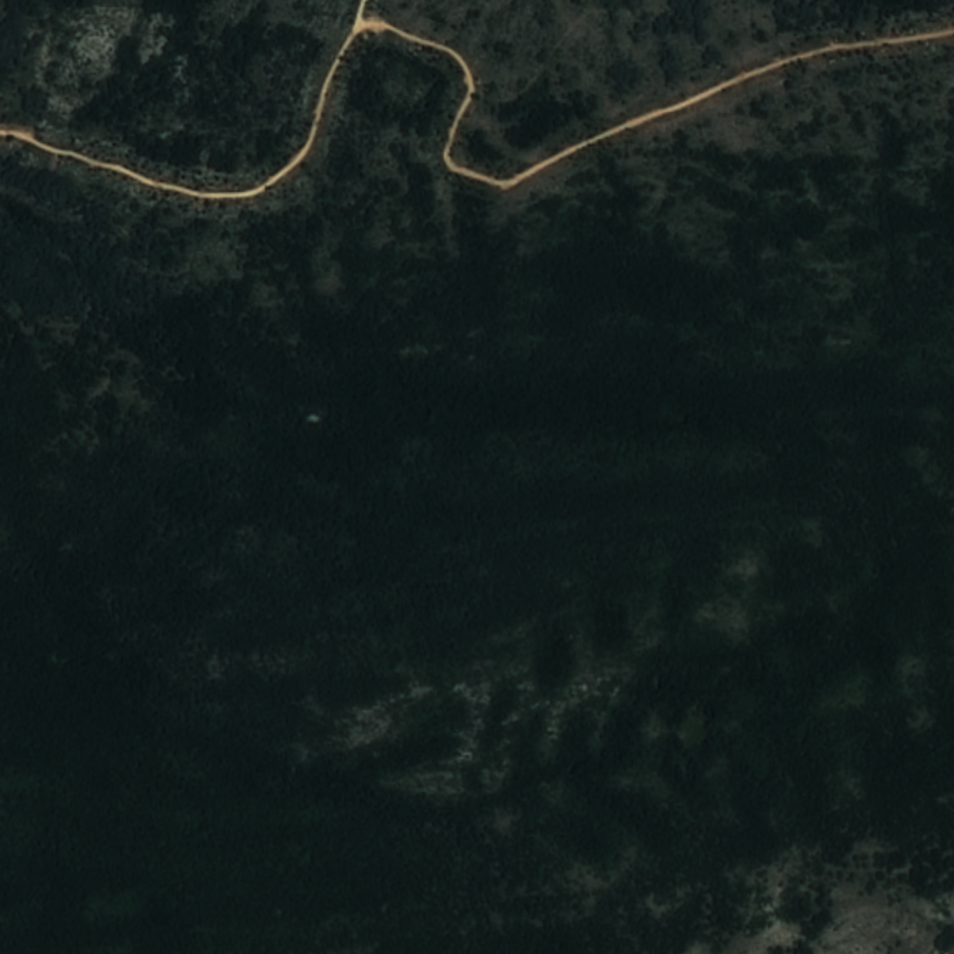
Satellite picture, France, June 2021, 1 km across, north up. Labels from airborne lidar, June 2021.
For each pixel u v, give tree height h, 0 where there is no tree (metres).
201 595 7
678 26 7
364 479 6
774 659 7
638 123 0
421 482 5
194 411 9
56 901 8
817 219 6
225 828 6
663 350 7
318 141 0
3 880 6
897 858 7
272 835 6
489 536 6
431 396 10
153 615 7
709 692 7
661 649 6
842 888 0
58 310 10
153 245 9
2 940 6
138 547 7
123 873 6
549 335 6
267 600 6
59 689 7
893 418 7
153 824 7
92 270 10
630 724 9
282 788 6
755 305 7
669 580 6
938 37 0
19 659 9
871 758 8
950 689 6
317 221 8
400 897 6
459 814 9
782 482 6
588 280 8
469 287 8
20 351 8
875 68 8
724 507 6
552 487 6
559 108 9
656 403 12
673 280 9
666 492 5
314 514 7
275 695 7
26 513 7
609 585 6
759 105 6
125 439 6
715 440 6
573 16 0
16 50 8
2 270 12
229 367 6
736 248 7
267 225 7
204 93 7
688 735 0
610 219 9
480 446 6
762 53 0
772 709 11
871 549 7
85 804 7
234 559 6
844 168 6
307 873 7
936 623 7
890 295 5
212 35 6
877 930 0
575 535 6
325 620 6
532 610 6
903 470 7
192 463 6
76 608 9
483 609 6
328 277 0
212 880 6
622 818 7
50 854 10
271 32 7
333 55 0
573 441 6
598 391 8
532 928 6
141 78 8
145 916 6
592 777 8
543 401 12
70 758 7
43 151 0
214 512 6
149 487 7
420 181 6
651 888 6
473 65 0
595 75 0
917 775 8
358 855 7
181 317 12
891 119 7
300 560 6
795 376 7
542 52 6
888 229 7
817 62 0
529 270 6
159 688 6
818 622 11
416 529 6
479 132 7
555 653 8
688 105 0
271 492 7
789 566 6
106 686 9
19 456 7
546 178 0
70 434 7
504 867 6
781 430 6
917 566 7
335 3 0
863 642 12
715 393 10
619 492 7
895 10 7
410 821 7
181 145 11
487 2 0
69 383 7
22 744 10
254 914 6
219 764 6
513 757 6
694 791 7
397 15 0
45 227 6
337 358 7
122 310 13
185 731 8
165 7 5
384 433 10
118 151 0
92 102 7
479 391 10
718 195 6
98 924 6
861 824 6
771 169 6
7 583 8
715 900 7
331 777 8
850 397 7
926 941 0
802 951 8
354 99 9
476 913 7
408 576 6
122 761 6
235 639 6
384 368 7
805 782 8
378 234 0
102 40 0
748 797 8
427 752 6
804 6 12
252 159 8
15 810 6
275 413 8
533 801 6
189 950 6
